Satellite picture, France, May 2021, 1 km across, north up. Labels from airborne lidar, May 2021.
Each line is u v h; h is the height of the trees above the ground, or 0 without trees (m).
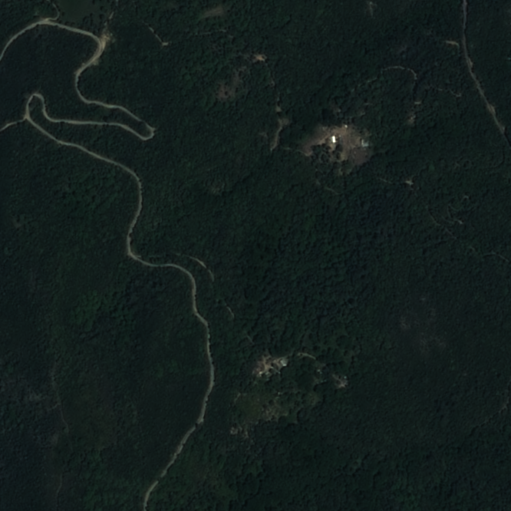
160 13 7
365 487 23
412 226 15
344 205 11
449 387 10
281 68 10
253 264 16
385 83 10
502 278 15
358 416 12
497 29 13
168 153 10
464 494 14
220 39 18
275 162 17
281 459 19
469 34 6
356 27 11
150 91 12
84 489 7
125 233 9
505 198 15
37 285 7
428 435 11
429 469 18
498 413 8
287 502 12
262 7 16
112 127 12
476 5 20
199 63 13
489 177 13
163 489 8
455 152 14
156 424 8
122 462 9
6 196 7
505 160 8
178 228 13
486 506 10
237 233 15
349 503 16
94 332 10
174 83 13
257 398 0
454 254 9
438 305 7
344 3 9
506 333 11
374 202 16
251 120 16
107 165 8
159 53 13
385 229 10
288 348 11
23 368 6
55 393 8
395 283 17
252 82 11
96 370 7
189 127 12
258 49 8
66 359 8
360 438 12
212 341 12
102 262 7
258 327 19
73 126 6
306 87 13
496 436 22
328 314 12
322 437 12
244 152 10
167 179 7
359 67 21
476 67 16
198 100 12
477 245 12
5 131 6
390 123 16
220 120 10
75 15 0
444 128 21
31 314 6
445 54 11
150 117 13
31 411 11
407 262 18
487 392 19
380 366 9
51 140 7
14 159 6
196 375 7
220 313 10
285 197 10
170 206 14
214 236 12
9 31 7
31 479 6
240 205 12
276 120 14
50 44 6
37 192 9
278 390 12
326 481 16
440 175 14
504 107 22
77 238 10
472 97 8
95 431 8
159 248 12
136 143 8
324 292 17
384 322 6
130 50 13
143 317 8
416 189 9
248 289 18
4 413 12
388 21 14
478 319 6
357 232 8
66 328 8
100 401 7
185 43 15
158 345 6
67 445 7
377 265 12
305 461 17
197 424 12
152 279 9
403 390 9
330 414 15
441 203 14
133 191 10
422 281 14
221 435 7
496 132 12
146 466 8
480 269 10
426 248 9
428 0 13
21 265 6
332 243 14
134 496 10
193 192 16
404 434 14
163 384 7
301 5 12
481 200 11
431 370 7
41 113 5
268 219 13
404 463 19
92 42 9
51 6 10
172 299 10
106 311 10
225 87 7
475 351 7
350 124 8
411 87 17
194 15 7
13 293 9
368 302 10
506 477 11
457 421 12
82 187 15
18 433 7
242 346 9
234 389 14
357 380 11
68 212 12
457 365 10
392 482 13
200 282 8
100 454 8
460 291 9
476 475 14
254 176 21
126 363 11
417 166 13
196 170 14
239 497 6
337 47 16
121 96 10
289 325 17
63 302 6
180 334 14
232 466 13
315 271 12
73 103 9
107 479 11
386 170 16
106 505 11
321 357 10
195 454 10
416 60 10
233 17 12
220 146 13
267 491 29
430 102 12
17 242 8
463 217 12
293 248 13
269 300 13
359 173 18
